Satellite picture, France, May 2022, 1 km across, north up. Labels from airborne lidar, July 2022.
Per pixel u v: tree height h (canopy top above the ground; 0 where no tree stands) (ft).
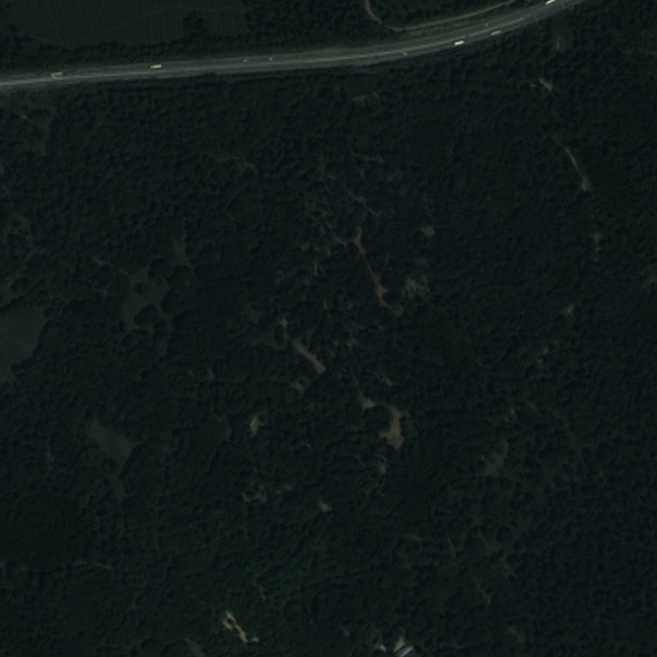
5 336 0
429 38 0
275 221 80
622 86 31
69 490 78
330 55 0
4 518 34
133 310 0
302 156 79
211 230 74
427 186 65
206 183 70
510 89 60
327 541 66
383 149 71
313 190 82
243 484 61
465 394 53
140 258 74
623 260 33
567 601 67
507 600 73
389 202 73
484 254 98
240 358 81
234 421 78
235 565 52
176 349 79
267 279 84
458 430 77
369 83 47
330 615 58
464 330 63
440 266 75
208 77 40
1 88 0
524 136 82
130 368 76
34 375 57
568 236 72
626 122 44
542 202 63
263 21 25
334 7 25
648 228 18
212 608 34
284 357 57
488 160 83
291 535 59
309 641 67
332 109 68
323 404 66
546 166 74
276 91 72
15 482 72
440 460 50
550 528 69
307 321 70
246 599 57
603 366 61
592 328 59
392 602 91
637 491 75
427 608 49
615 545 58
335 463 73
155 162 68
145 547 62
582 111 49
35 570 31
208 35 24
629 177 18
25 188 85
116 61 27
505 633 72
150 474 72
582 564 77
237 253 81
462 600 65
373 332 67
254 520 69
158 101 64
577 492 78
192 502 55
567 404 55
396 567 78
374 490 55
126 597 39
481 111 81
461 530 82
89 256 78
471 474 69
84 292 71
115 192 79
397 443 0
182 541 61
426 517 27
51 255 66
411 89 49
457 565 60
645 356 55
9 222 56
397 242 69
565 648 48
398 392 71
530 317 78
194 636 56
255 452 62
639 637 65
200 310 74
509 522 0
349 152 67
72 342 61
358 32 47
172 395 63
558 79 68
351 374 43
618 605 73
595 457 55
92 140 67
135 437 54
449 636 73
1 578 73
